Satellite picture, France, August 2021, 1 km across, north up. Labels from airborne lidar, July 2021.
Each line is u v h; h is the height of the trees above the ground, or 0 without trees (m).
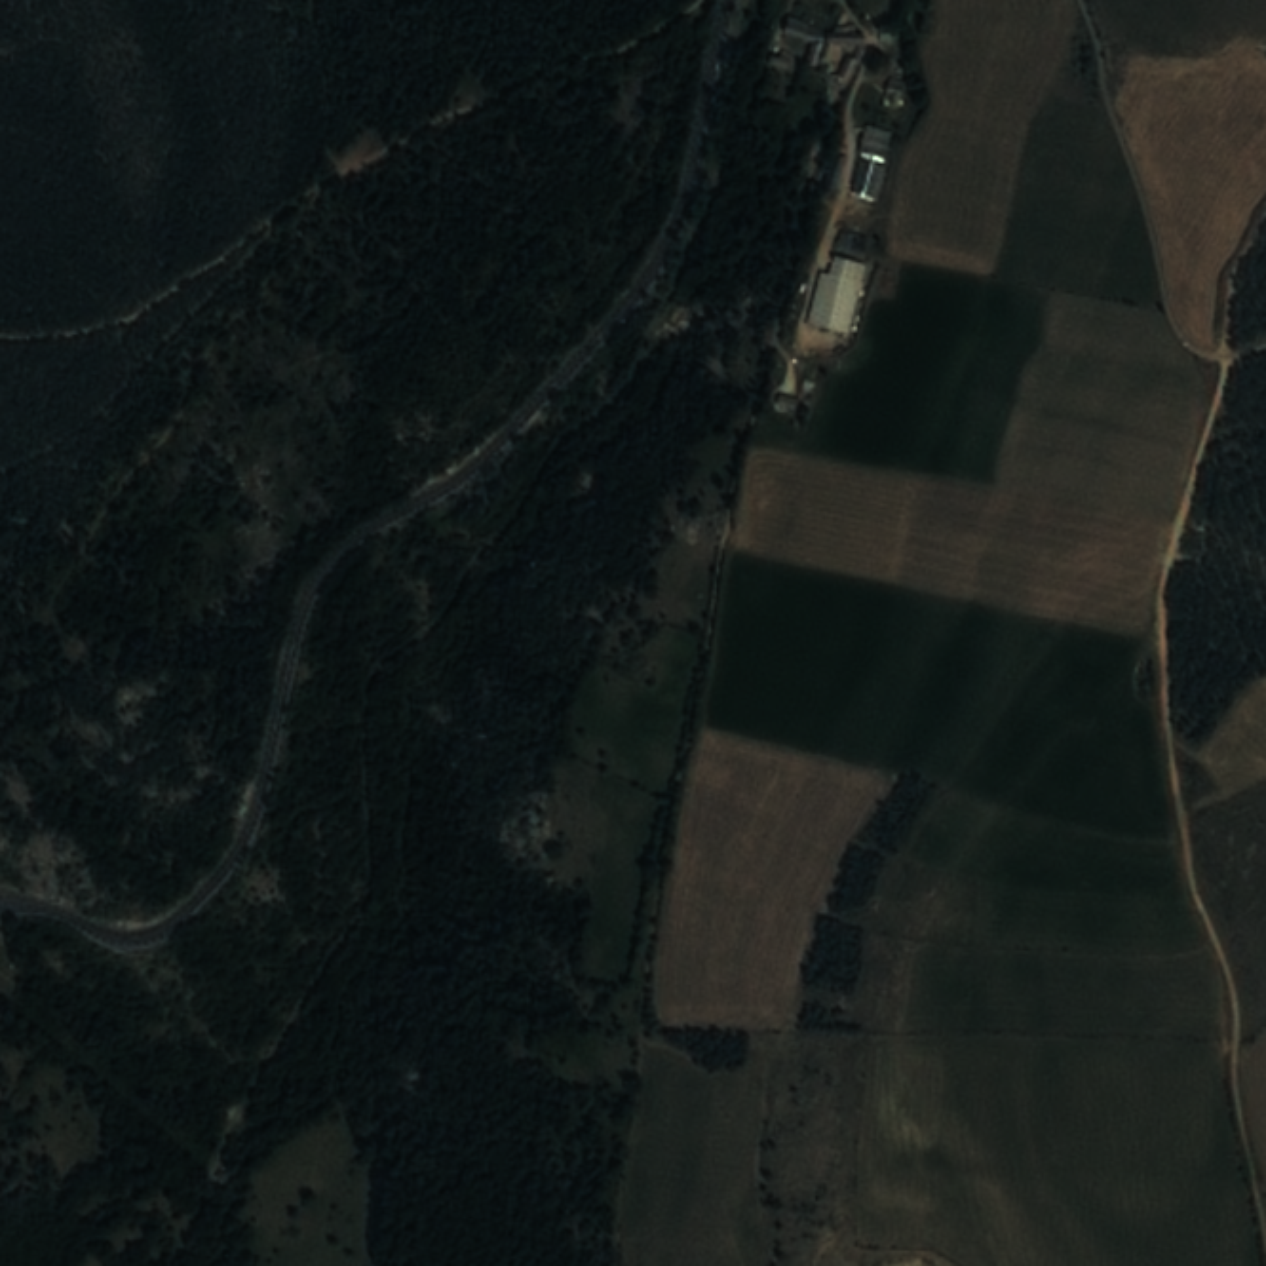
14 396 11
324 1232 0
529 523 18
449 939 8
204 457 15
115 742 7
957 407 0
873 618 0
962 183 0
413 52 14
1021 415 0
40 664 8
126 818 8
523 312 9
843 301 0
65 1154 0
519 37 12
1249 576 7
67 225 9
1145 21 0
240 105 9
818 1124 0
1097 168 0
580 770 0
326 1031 13
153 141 6
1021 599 0
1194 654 13
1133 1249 0
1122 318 0
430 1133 16
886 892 0
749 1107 0
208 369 15
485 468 6
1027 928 0
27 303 10
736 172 14
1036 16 0
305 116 13
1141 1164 0
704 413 24
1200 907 0
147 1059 11
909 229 0
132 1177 19
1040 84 0
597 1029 6
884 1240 0
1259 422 11
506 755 8
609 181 7
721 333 6
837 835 0
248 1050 13
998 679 0
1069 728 0
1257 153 0
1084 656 0
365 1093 8
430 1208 21
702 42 9
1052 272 0
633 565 11
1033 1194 0
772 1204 10
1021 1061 0
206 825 6
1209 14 0
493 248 7
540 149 12
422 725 13
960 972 0
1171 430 0
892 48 0
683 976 0
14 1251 17
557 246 15
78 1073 12
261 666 18
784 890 0
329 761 10
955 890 0
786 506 0
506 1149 17
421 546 12
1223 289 0
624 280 8
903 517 0
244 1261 16
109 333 10
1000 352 0
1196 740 10
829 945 8
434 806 6
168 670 8
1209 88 0
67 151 6
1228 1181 0
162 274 11
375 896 16
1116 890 0
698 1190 0
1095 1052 0
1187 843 0
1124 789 0
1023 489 0
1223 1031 0
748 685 0
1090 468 0
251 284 13
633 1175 0
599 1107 9
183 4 10
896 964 0
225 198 11
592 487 0
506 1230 17
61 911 0
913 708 0
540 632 14
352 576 12
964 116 0
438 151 8
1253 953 0
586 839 0
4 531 25
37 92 8
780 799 0
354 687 12
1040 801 0
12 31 8
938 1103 0
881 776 0
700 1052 12
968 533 0
